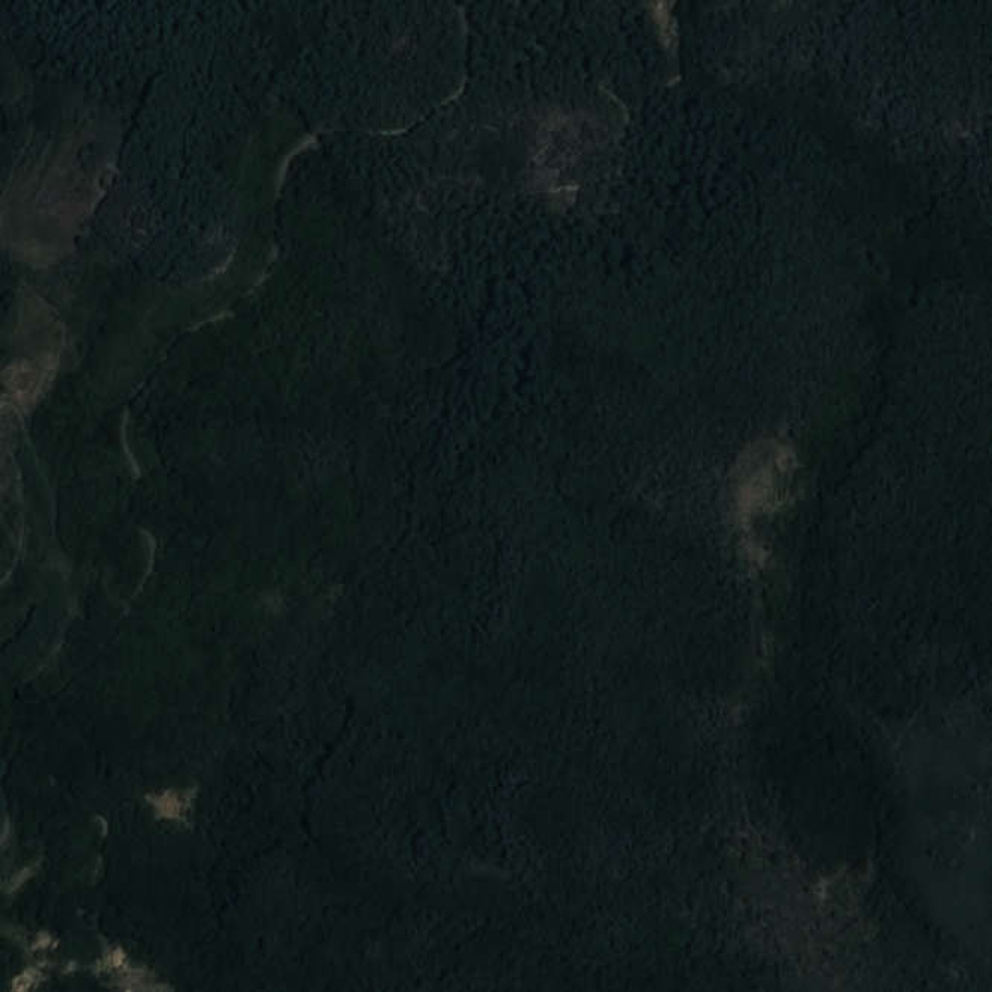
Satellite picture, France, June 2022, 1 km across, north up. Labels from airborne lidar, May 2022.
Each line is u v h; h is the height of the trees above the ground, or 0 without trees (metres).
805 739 17
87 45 28
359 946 20
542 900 18
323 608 12
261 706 24
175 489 27
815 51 12
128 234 19
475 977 21
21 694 20
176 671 7
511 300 35
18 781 25
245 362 13
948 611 22
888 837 15
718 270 17
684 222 20
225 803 12
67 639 12
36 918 10
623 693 17
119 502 20
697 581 24
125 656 17
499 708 20
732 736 15
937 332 21
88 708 24
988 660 18
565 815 17
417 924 23
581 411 16
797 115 30
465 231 28
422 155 25
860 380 16
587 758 21
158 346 7
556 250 35
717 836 10
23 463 8
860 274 24
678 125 41
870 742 7
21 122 16
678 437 16
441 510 14
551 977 21
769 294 14
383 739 21
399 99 16
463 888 14
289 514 16
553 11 34
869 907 8
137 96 11
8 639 7
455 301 33
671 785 16
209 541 9
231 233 36
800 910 0
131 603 11
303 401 21
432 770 19
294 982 24
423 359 22
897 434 22
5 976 12
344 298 22
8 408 0
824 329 18
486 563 13
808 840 16
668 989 19
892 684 13
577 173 12
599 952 17
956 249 27
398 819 18
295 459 24
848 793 22
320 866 28
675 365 21
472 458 15
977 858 0
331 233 26
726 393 19
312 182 29
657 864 11
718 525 15
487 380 42
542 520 19
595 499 20
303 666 28
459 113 28
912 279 28
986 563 21
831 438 21
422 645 17
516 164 15
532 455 29
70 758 28
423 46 28
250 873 28
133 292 10
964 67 18
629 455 13
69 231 0
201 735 23
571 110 8
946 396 21
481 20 31
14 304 34
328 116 30
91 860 14
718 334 17
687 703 15
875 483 22
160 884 25
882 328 24
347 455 17
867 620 22
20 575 12
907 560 18
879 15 14
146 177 26
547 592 11
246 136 35
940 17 24
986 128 9
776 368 18
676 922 14
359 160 32
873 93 18
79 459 6
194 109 26
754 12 6
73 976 6
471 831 6
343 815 23
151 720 19
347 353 18
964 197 15
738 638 15
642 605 22
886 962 6
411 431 23
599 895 18
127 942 14
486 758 19
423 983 15
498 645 16
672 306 19
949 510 20
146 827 18
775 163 35
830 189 21
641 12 23
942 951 8
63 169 0
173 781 17
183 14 34
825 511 24
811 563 24
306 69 30
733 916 7
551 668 13
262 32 23
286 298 10
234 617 21
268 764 22
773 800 21
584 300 26
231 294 6
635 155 33
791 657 17
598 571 19
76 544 23
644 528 20
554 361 23
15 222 0
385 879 20
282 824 9
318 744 6
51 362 0
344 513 24
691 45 11
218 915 9
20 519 9
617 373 19
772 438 12
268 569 13
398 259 23
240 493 17
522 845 10
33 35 30
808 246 20
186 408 28
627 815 19
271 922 18
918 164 11
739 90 17
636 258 44
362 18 21
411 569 26
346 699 26
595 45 38
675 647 22
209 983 29
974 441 18
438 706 23
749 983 13
